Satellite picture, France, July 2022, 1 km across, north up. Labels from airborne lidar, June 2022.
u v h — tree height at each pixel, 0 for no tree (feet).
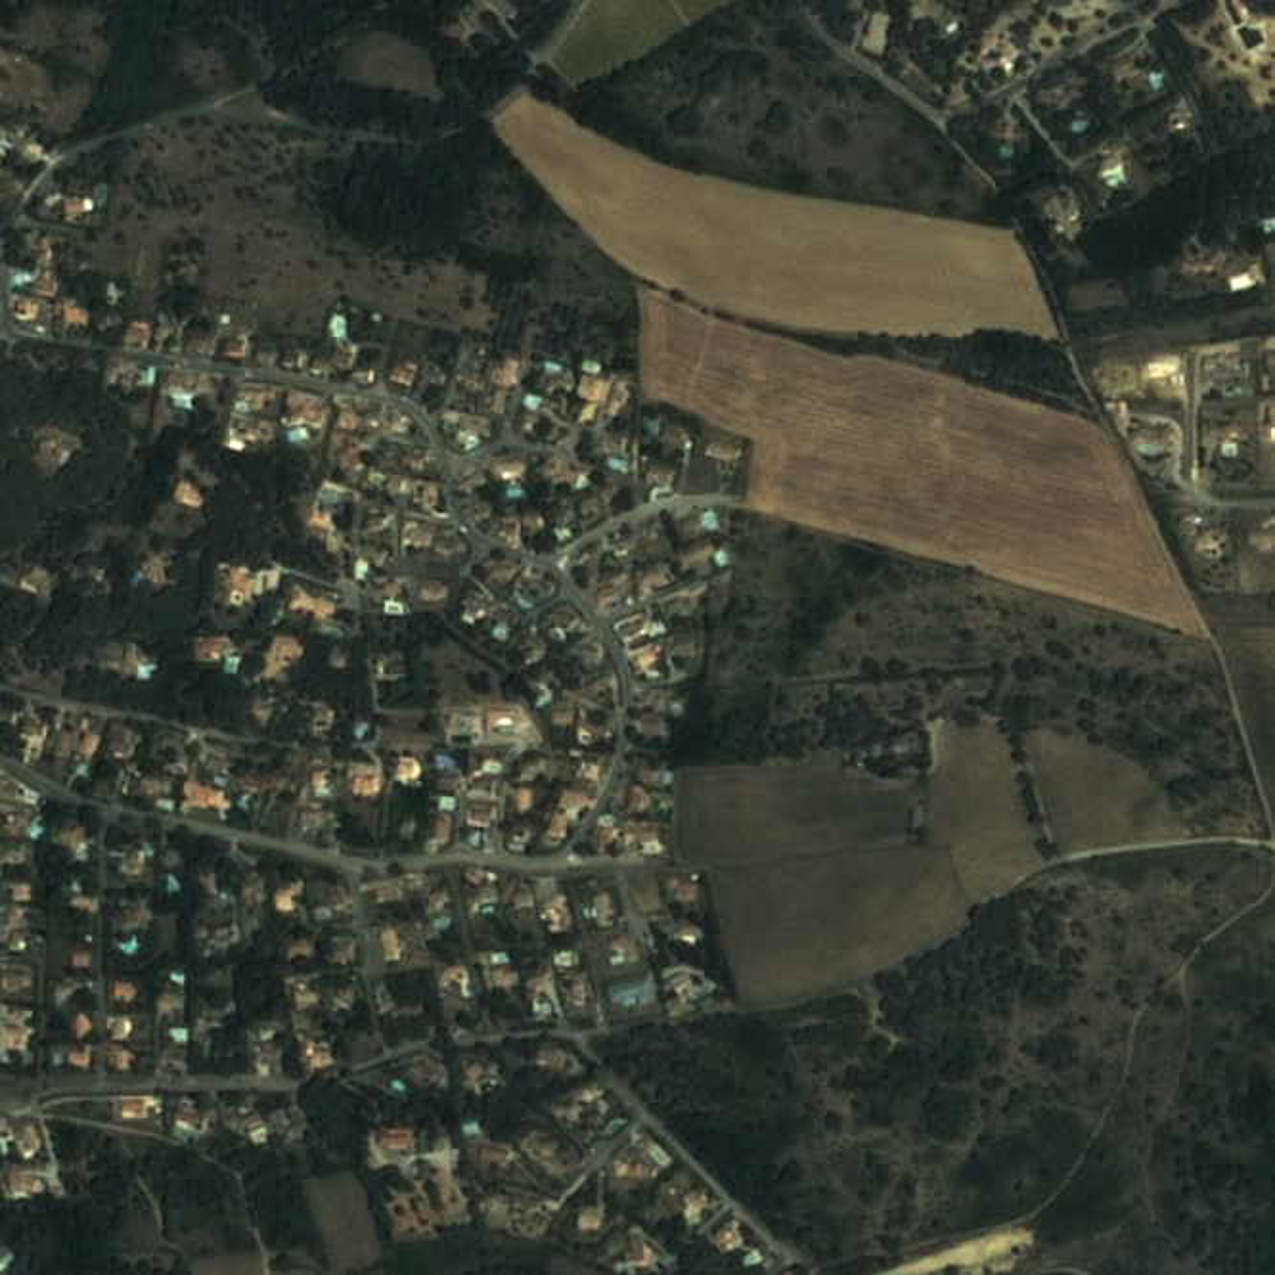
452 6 56
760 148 35
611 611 0
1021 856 0
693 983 22
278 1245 37
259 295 0
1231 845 20
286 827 0
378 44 0
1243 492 0
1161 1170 0
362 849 34
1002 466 0
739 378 0
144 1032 27
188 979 29
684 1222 33
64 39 21
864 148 0
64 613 41
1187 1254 39
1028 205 28
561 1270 0
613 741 19
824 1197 21
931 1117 26
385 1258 18
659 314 0
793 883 0
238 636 38
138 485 42
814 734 33
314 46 34
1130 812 0
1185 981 0
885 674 22
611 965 0
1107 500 0
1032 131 28
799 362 0
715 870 0
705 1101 39
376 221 35
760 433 0
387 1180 34
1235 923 0
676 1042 30
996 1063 30
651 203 0
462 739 0
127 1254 0
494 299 21
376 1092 31
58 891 28
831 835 0
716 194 0
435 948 32
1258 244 33
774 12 26
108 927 28
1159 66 25
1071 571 0
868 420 0
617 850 29
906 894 0
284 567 28
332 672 34
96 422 32
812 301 0
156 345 19
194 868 40
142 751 33
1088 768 0
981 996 24
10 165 31
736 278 0
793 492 0
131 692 40
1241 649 0
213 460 26
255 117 0
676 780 0
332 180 22
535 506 27
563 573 0
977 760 0
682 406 0
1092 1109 0
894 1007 30
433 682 23
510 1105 34
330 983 29
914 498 0
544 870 0
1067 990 22
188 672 43
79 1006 27
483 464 0
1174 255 44
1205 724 19
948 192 0
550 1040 37
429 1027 31
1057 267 31
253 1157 37
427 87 0
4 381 35
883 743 23
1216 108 31
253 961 35
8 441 42
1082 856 0
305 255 0
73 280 24
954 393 0
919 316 0
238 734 35
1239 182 32
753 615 30
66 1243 39
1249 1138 26
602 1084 44
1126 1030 0
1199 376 0
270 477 36
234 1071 37
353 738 32
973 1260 0
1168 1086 0
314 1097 44
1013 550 0
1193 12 61
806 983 0
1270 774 0
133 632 33
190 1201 20
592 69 0
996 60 24
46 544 30
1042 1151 0
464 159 33
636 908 0
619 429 31
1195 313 30
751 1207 28
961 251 0
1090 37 0
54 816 47
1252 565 0
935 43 28
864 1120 0
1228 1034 30
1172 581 0
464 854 0
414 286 0
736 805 0
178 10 53
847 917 0
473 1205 33
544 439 32
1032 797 26
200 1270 0
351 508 38
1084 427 0
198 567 27
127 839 40
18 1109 0
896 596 0
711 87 31
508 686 44
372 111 35
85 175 24
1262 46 0
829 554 0
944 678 28
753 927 0
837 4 33
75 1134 29
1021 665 32
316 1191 0
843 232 0
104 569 36
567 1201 25
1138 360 0
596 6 0
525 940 26
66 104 0
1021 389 31
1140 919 0
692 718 18
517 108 0
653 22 0
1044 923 28
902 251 0
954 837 0
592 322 27
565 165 0
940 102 26
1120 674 29
